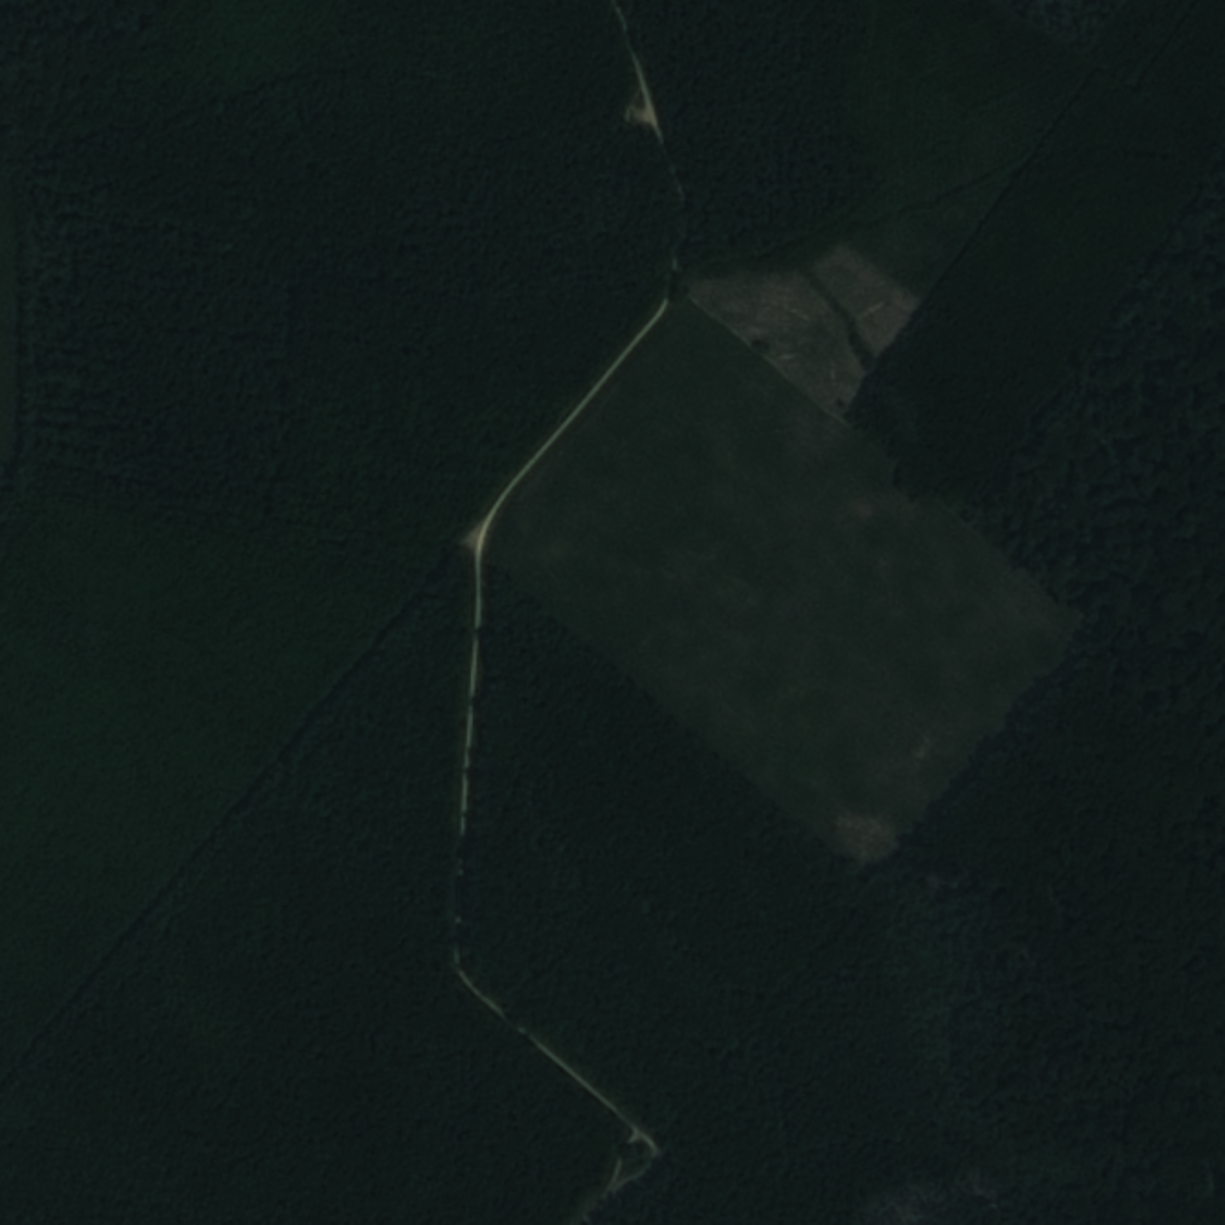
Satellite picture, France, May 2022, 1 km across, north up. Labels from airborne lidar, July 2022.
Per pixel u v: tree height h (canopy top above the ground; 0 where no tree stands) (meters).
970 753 0
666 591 0
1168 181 9
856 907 19
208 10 16
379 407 15
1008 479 22
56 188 20
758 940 18
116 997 19
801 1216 20
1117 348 21
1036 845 21
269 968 18
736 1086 22
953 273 9
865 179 18
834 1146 20
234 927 17
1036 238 9
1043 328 10
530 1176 20
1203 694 30
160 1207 20
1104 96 9
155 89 16
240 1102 17
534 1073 20
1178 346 28
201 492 17
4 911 7
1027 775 23
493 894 22
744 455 0
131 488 16
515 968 23
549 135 18
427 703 18
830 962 20
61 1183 18
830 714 0
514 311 16
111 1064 20
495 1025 19
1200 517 29
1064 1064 22
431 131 18
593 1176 21
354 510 15
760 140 15
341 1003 20
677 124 20
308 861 18
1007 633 0
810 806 0
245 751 9
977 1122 14
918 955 16
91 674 9
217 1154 17
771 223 18
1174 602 30
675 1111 19
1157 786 22
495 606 18
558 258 18
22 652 8
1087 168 11
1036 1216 23
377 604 9
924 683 0
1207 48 7
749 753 0
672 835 20
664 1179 15
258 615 9
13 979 7
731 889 19
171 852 5
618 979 23
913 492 10
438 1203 19
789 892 17
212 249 18
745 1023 20
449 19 16
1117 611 26
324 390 17
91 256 20
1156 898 24
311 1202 19
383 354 17
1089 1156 25
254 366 19
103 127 19
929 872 17
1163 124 9
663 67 20
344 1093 20
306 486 20
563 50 17
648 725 19
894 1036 16
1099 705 25
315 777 22
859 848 0
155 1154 16
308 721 15
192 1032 18
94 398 12
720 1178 19
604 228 19
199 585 9
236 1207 18
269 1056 19
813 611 0
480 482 14
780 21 16
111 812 6
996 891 11
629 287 21
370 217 21
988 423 13
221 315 20
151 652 8
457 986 20
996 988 14
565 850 18
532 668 19
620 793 20
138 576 9
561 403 14
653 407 0
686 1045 22
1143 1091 23
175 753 9
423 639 21
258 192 21
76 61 28
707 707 0
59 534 9
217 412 20
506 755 17
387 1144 17
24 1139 20
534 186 18
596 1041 19
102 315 18
